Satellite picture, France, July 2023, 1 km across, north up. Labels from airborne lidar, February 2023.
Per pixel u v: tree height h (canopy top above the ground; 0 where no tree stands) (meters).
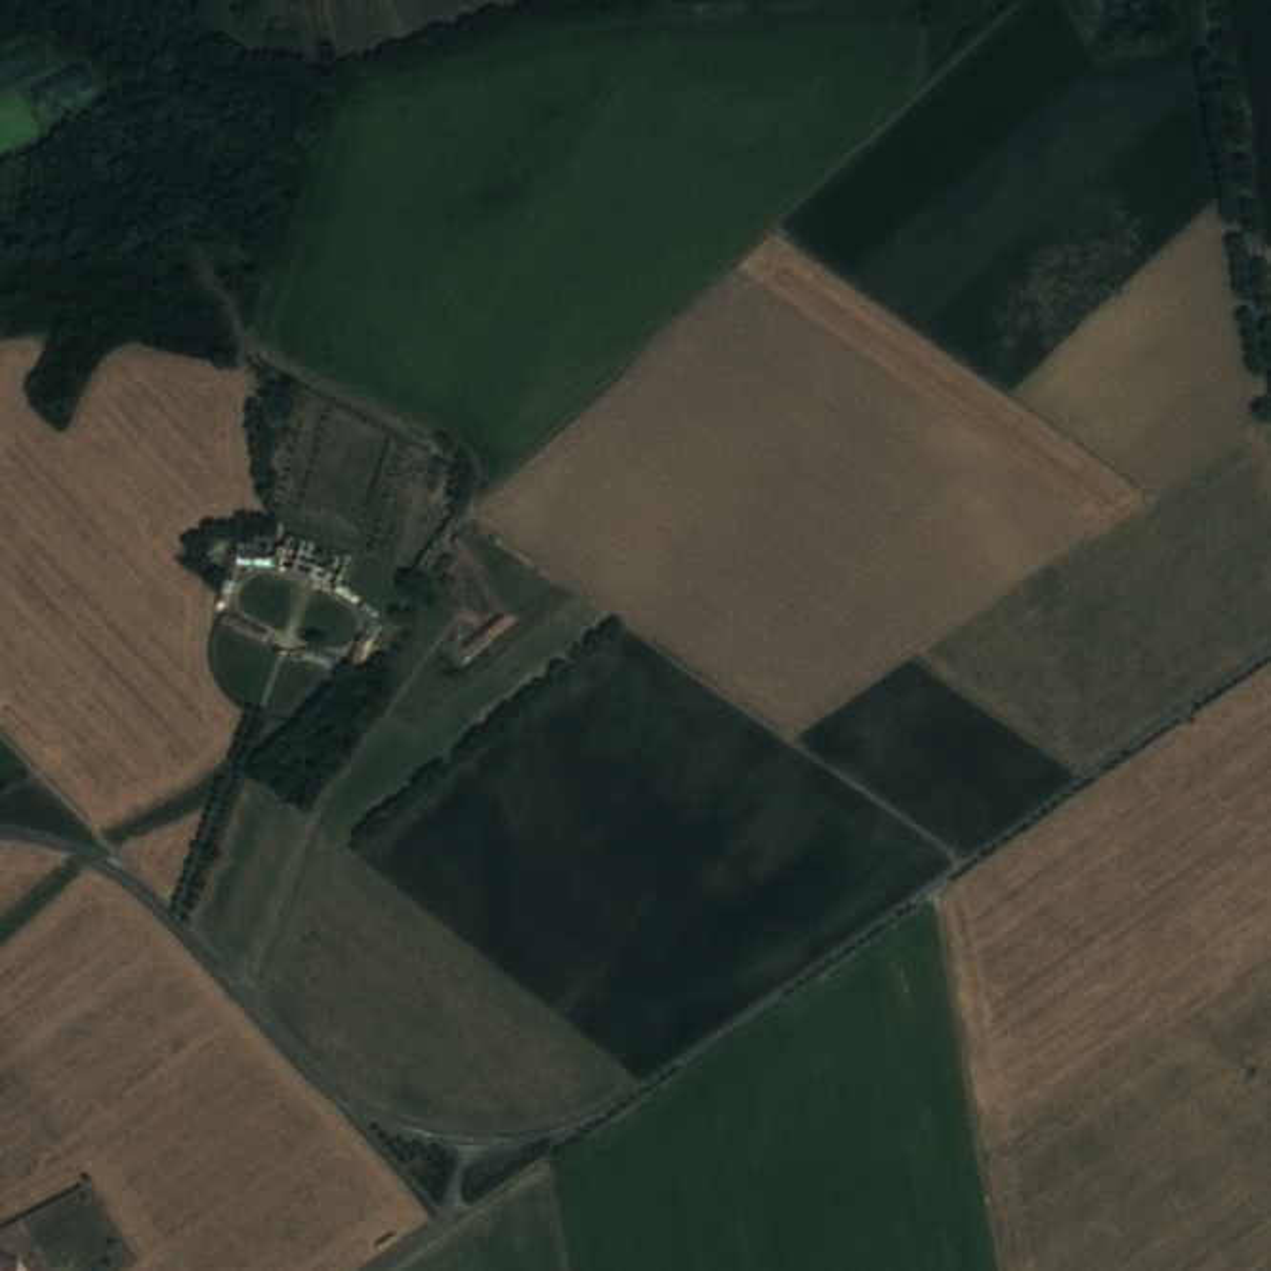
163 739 0
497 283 0
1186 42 0
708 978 0
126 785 0
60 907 0
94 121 11
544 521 0
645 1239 0
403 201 0
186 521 0
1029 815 0
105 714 0
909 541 0
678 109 0
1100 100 0
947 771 0
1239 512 0
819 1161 0
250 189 21
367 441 0
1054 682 0
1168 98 0
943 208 0
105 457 0
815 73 0
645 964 0
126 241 17
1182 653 0
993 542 0
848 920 0
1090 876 0
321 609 0
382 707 15
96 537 0
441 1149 6
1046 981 0
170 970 0
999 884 0
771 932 0
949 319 0
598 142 0
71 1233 0
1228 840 0
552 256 0
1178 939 0
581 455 0
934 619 0
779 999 0
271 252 27
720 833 0
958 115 0
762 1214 0
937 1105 0
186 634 0
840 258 0
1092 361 0
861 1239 0
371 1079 0
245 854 0
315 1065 0
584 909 0
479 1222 0
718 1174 0
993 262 0
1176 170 0
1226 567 0
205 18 17
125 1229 0
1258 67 0
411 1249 0
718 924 0
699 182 0
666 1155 0
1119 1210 0
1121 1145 0
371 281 0
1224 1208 0
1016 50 0
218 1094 0
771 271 0
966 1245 0
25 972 0
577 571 0
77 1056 0
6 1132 0
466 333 0
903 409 0
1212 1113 0
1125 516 0
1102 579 0
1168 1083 0
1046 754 0
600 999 0
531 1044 0
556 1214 0
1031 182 0
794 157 0
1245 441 0
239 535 18
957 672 0
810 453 0
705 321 0
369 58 8
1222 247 0
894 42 0
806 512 0
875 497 0
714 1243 0
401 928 0
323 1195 0
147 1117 0
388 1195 0
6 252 29
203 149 23
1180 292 0
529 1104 0
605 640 11
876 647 0
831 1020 0
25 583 0
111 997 0
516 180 0
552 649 0
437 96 0
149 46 19
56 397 6
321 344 0
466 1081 0
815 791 0
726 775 0
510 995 0
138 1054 0
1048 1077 0
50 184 19
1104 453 0
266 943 0
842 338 0
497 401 0
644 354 0
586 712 0
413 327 0
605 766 0
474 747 13
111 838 0
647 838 0
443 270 0
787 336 0
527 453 0
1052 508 0
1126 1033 0
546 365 0
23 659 0
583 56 0
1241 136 20
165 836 0
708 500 0
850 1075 0
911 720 0
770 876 0
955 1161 0
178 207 22
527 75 0
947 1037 0
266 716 14
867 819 0
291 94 21
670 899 0
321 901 0
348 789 0
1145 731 0
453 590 9
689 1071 0
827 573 0
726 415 0
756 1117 0
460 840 0
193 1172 0
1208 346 0
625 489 0
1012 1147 0
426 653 0
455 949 0
